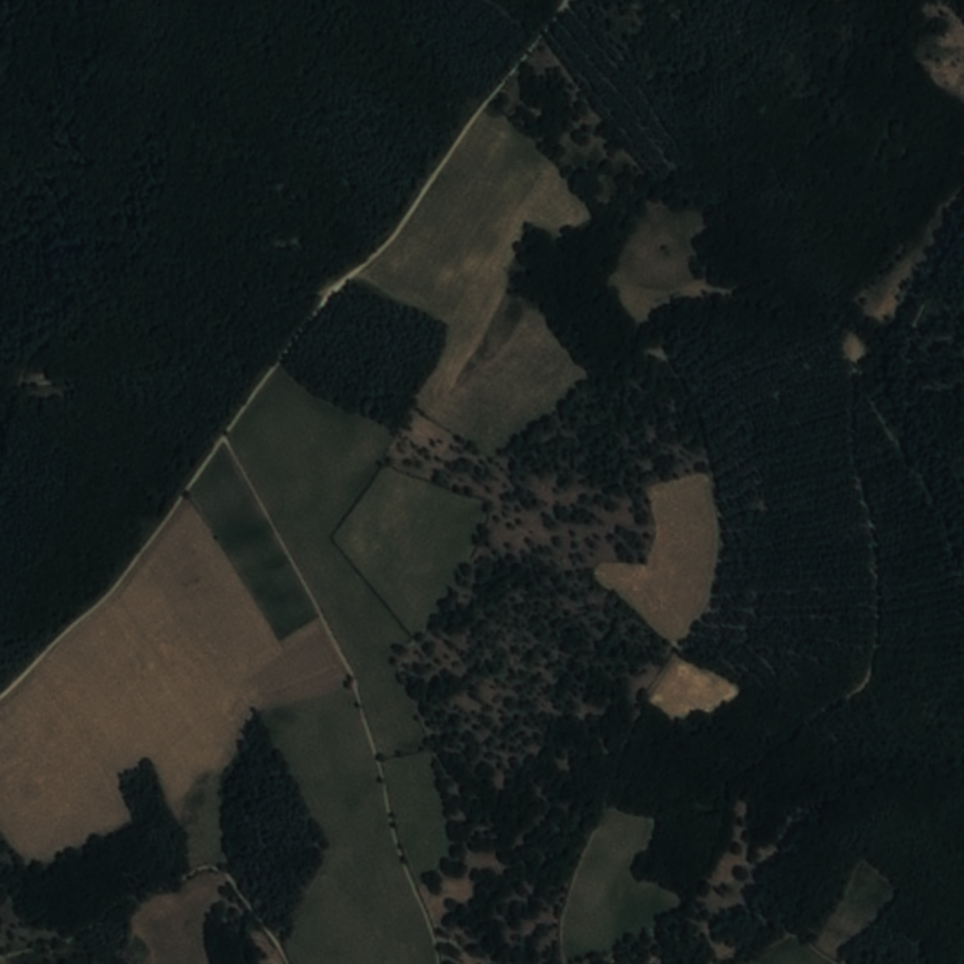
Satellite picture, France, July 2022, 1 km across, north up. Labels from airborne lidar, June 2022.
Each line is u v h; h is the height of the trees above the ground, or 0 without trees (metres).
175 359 10
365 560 0
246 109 14
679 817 18
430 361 13
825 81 16
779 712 10
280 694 0
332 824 0
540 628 11
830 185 17
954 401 15
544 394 0
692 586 0
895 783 24
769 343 14
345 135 14
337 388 13
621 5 12
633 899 0
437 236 0
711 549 0
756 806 19
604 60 19
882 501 19
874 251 21
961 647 19
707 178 18
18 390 12
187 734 0
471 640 9
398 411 16
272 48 15
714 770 16
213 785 0
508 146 0
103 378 13
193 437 17
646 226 0
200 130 14
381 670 0
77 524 12
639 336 19
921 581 15
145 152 19
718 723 13
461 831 15
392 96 14
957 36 0
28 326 20
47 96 15
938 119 20
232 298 15
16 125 18
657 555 0
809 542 19
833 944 0
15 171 19
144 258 19
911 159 15
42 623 13
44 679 0
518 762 13
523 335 0
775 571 17
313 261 12
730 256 21
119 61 20
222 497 0
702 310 20
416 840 0
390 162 13
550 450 12
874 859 15
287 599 0
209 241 13
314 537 0
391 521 0
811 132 14
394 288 0
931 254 14
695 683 0
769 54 20
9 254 12
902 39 18
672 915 13
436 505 0
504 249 0
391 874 0
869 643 17
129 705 0
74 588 12
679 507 0
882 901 0
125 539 11
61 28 15
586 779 17
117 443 13
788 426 13
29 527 19
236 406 16
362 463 0
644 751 14
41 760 0
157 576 0
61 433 13
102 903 16
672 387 16
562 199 0
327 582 0
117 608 0
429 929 0
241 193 11
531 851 16
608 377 16
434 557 0
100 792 0
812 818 19
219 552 0
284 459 0
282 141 13
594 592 11
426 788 0
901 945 15
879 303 0
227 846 15
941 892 19
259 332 14
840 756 14
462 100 9
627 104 18
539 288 19
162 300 15
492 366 0
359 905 0
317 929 0
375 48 10
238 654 0
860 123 19
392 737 0
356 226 14
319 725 0
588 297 19
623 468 13
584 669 11
